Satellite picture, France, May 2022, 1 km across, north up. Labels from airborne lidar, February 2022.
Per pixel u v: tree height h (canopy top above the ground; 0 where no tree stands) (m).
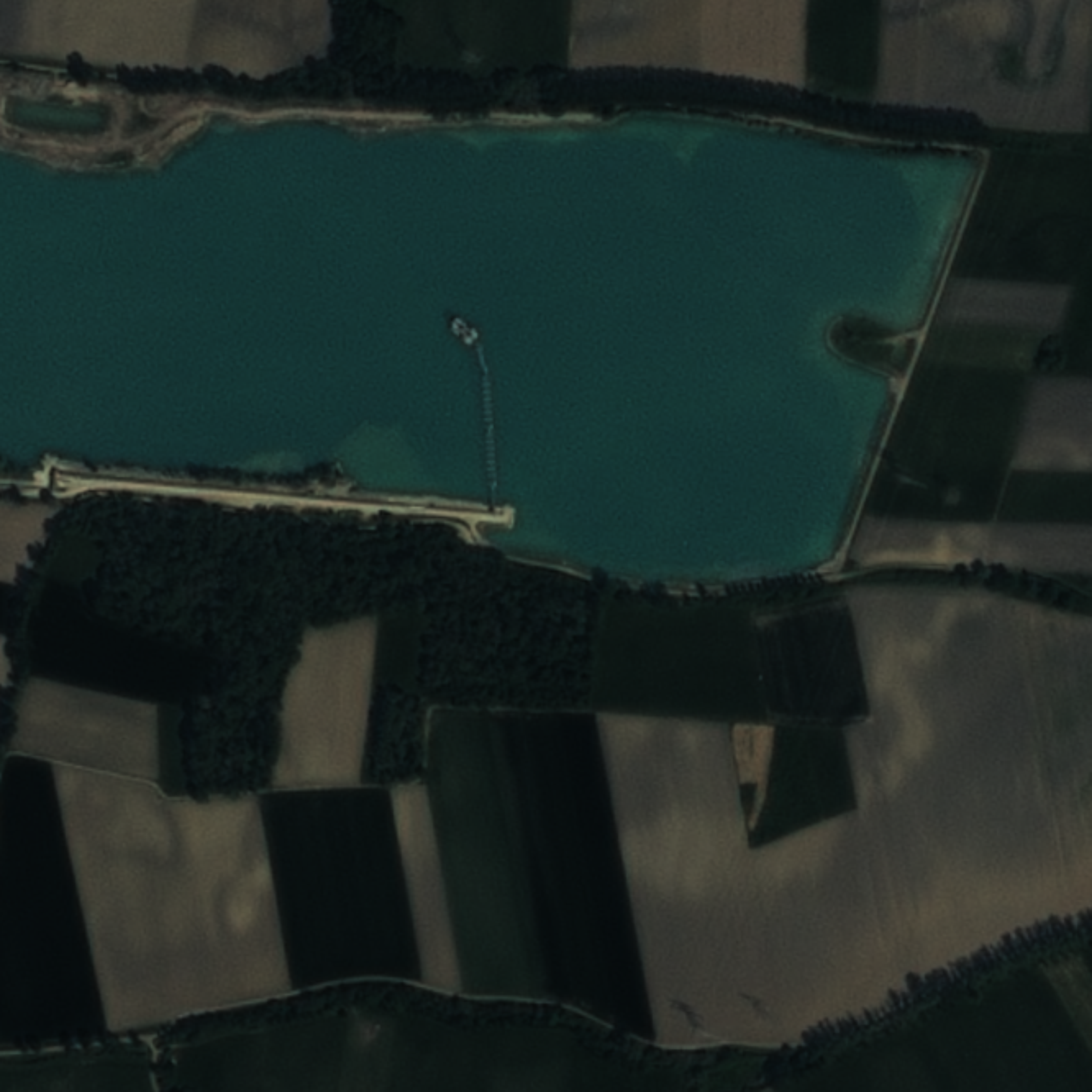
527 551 0
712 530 0
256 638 23
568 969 0
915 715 0
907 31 0
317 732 0
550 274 0
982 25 0
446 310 0
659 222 0
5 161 0
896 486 0
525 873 0
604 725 0
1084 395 0
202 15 0
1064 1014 0
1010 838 0
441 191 0
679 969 0
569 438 0
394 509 0
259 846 0
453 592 23
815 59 0
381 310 0
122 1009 0
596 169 0
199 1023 14
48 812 0
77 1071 0
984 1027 0
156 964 0
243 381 0
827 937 0
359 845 0
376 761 15
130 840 0
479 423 0
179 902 0
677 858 0
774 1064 18
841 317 0
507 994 0
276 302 0
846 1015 0
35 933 0
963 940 0
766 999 0
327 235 0
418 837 0
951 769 0
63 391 0
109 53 0
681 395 0
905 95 0
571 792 0
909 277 0
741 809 0
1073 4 0
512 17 0
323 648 0
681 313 0
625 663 0
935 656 0
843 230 0
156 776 0
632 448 0
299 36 0
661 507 0
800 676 0
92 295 0
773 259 0
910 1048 0
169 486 0
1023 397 0
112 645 0
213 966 0
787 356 0
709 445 0
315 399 0
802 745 0
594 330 0
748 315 0
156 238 0
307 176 0
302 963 0
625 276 0
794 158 0
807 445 0
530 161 0
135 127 0
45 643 0
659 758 0
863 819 0
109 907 0
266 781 18
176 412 0
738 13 0
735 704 0
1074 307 0
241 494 0
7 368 0
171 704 0
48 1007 0
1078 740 0
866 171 0
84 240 0
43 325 0
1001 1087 0
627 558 0
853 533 0
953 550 0
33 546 0
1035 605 0
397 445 0
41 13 0
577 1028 11
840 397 0
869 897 0
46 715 0
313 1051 0
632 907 0
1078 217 0
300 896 0
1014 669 0
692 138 0
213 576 19
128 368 0
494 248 0
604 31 0
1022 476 0
